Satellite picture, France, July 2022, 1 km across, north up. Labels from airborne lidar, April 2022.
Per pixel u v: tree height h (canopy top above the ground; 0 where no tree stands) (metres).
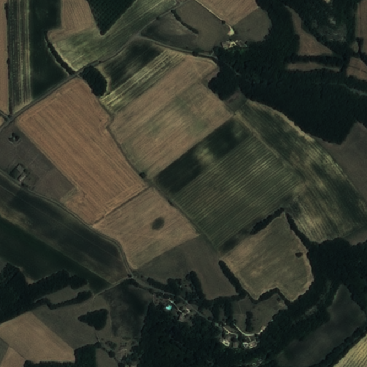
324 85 16
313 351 0
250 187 0
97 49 0
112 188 0
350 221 0
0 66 0
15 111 0
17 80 0
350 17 16
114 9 11
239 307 0
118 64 0
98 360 0
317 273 11
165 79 0
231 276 13
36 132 0
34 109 0
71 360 0
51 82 0
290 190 0
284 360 0
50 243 0
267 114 0
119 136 0
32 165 0
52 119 0
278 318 16
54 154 0
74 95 0
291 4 17
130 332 0
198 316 9
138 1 0
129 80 0
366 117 22
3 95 0
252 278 0
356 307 0
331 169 0
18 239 0
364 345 0
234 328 8
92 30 0
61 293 0
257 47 14
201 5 0
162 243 0
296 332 21
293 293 0
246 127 0
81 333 0
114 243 0
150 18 0
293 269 0
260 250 0
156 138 0
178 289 8
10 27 0
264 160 0
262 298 13
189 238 0
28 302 16
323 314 21
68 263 0
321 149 0
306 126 16
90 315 14
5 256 0
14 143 0
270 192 0
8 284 12
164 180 0
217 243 0
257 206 0
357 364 0
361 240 0
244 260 0
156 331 21
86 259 0
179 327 12
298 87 20
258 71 16
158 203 0
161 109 0
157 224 0
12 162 0
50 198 0
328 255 20
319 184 0
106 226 0
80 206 0
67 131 0
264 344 20
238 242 0
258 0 17
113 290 0
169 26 0
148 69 0
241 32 0
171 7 0
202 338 14
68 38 0
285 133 0
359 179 0
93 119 0
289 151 0
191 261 0
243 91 11
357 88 17
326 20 9
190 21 0
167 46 0
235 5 0
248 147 0
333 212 0
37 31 0
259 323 0
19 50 0
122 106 0
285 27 18
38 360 0
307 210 0
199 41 0
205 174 0
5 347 0
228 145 0
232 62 16
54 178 0
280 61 12
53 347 0
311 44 0
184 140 0
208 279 0
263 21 0
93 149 0
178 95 0
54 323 0
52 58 0
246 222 0
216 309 13
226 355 17
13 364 0
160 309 6
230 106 0
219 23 0
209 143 0
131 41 0
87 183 0
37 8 0
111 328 0
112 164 0
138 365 8
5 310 9
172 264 0
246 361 22
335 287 14
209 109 0
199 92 0
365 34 0
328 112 14
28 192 0
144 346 14
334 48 15
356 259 10
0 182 0
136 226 0
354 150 0
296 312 15
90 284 0
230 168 0
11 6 0
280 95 15
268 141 0
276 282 0
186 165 0
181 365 14
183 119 0
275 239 0
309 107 18
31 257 0
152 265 0
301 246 0
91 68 11
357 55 12
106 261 0
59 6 0
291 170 0
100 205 0
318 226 0
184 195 0
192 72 0
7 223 0
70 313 0
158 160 0
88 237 0
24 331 0
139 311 0
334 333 0
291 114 16
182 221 0
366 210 0
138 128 0
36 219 0
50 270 0
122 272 0
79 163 0
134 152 0
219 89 18
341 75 23
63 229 0
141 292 0
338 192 0
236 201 0
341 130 16
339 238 12
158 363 26
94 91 14
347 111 15
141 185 0
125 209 0
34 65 0
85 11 0
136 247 0
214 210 0
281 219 0
